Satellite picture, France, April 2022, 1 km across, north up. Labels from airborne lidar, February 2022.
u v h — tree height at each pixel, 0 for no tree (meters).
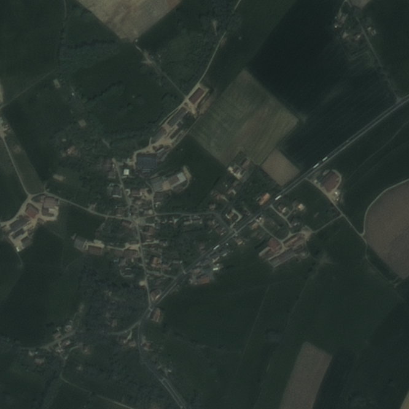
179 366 0
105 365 0
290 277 0
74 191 0
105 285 22
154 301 0
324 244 0
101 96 8
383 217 0
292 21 0
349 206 0
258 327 0
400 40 0
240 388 0
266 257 0
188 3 0
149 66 0
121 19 0
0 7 0
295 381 0
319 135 0
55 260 0
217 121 0
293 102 0
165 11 0
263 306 0
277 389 0
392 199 0
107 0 0
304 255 0
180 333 0
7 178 0
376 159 0
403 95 0
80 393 0
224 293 0
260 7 0
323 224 0
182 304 0
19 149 0
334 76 0
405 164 0
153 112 0
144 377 0
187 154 0
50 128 0
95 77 0
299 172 0
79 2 0
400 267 0
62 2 0
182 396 13
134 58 0
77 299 0
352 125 0
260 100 0
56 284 0
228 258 0
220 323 0
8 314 0
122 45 0
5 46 0
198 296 0
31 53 0
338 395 0
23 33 0
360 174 0
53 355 7
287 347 0
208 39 15
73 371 0
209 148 0
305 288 0
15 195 0
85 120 0
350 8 0
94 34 0
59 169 0
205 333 0
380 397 0
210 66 0
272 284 0
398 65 0
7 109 0
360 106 0
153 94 0
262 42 0
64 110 0
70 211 0
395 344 0
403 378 0
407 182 0
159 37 0
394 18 0
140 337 0
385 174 0
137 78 0
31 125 0
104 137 13
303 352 0
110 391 0
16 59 0
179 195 0
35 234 0
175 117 0
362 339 0
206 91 0
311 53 0
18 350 20
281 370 0
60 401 0
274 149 0
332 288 0
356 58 0
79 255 0
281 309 0
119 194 0
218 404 0
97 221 0
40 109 0
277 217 0
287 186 0
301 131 0
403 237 0
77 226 0
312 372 0
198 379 0
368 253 0
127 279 0
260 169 13
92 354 0
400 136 0
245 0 0
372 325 0
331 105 0
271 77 0
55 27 0
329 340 0
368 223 0
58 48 0
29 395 0
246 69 0
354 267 0
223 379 0
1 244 0
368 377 0
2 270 0
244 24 0
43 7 0
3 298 0
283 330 0
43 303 0
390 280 0
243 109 0
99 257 0
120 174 0
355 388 0
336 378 0
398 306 0
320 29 0
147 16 0
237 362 0
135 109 0
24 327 0
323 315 0
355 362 0
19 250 0
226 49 0
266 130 0
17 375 0
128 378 9
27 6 0
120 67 0
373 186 0
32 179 0
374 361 0
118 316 15
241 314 0
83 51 20
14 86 0
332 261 0
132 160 0
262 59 0
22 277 0
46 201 0
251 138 0
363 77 0
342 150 0
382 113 0
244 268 0
